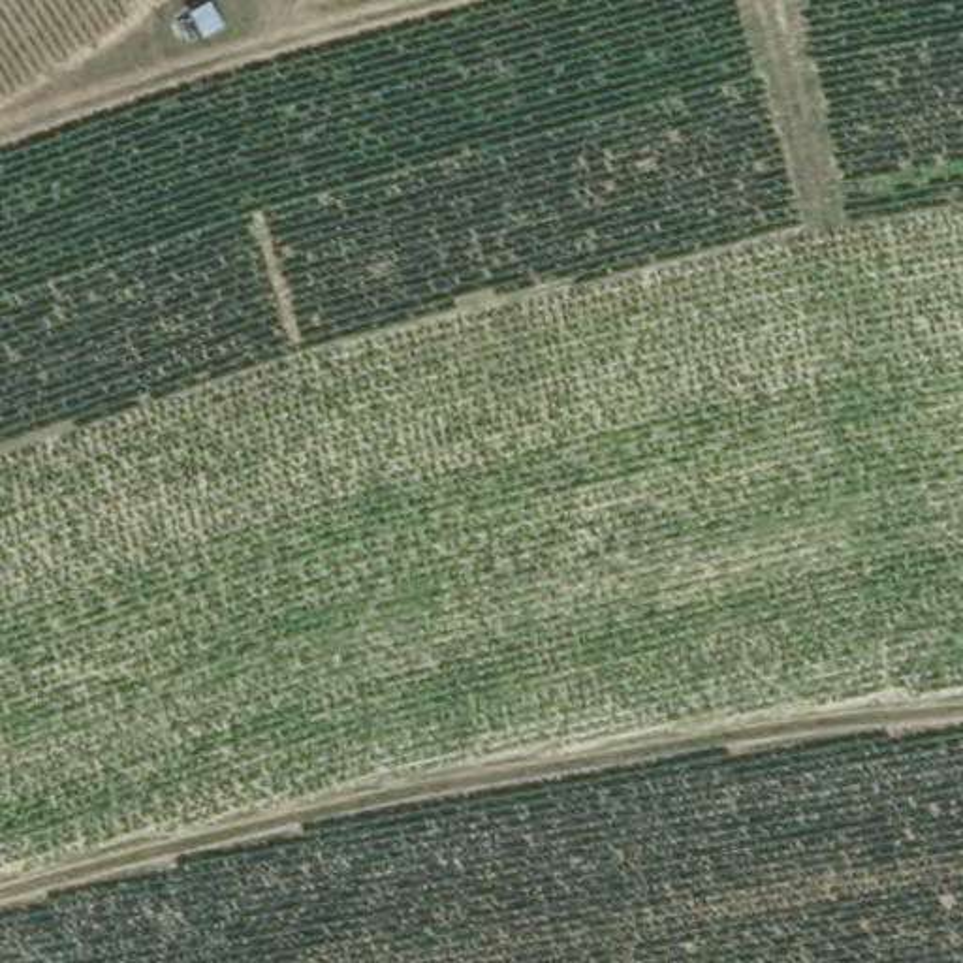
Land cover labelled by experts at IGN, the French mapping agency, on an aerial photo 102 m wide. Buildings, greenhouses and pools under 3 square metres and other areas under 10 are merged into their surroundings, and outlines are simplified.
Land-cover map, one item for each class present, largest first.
<instances>
[{"label":"vineyard","instance_id":"1","mask_svg":"<svg viewBox=\"0 0 963 963\"><path fill-rule=\"evenodd\" d=\"M0 963H963V0H0Z\"/></svg>","mask_w":963,"mask_h":963}]
</instances>
